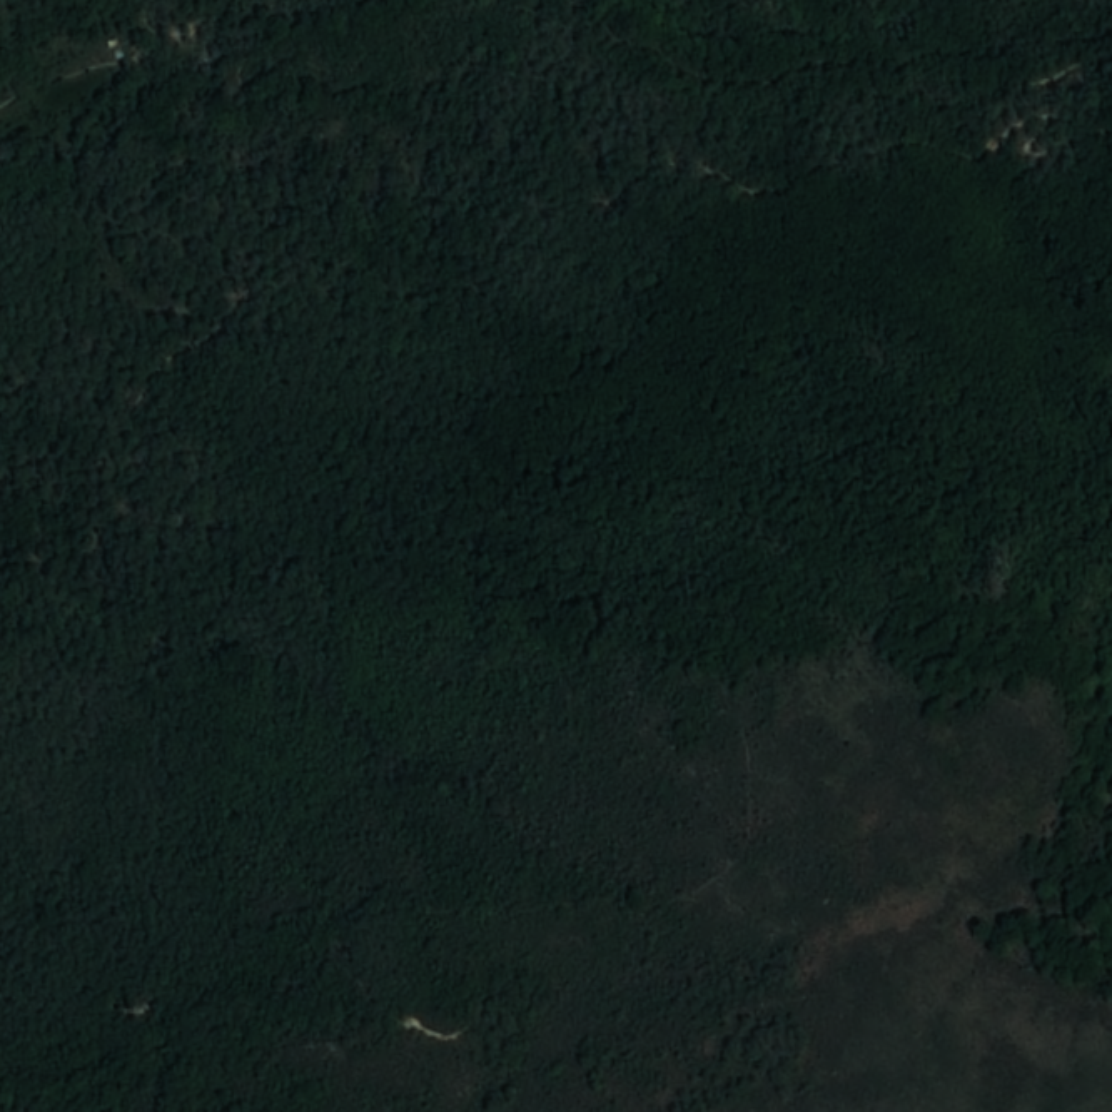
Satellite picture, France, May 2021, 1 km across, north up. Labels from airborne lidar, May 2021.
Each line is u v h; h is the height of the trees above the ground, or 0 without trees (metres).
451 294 11
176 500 17
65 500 12
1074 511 21
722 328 18
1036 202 15
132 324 13
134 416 10
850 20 21
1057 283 30
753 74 14
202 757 22
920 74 11
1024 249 18
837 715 0
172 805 22
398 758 18
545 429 17
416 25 9
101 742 17
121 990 11
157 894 21
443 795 10
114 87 9
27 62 19
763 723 6
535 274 20
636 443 18
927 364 9
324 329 20
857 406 18
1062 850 14
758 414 15
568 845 6
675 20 22
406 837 11
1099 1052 0
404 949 16
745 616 15
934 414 8
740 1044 14
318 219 15
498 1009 21
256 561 16
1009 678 9
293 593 15
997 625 9
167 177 13
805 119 7
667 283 25
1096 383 12
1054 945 21
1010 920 20
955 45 21
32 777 20
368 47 9
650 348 24
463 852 9
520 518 17
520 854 8
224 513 17
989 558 17
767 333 14
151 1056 17
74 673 20
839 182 14
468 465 22
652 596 12
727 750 6
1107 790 20
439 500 27
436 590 17
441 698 16
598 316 17
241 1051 13
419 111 10
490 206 14
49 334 19
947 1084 0
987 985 0
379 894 12
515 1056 15
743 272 22
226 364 23
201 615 20
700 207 17
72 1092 7
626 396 13
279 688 6
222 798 15
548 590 25
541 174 24
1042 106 15
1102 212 18
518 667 8
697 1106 11
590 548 14
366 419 17
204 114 18
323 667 20
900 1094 0
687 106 19
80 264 14
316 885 9
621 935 5
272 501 18
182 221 15
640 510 17
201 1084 16
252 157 15
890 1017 0
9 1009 20
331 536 19
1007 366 14
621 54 14
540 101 18
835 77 18
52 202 20
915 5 15
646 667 7
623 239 19
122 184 17
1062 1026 0
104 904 22
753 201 18
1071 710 10
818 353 18
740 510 12
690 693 6
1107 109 12
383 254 21
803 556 10
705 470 12
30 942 18
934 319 16
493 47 17
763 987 8
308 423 17
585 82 19
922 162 10
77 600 18
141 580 23
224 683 15
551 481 21
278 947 14
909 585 12
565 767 6
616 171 21
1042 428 18
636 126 24
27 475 17
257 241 15
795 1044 14
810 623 9
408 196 17
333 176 19
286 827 8
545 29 20
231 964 14
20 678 18
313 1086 16
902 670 7
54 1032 20
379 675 11
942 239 13
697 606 13
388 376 19
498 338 22
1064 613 15
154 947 21
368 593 17
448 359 23
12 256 18
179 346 9
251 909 9
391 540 20
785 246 20
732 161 22
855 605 12
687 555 17
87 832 17
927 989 0
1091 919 31
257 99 20
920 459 16
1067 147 13
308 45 8
